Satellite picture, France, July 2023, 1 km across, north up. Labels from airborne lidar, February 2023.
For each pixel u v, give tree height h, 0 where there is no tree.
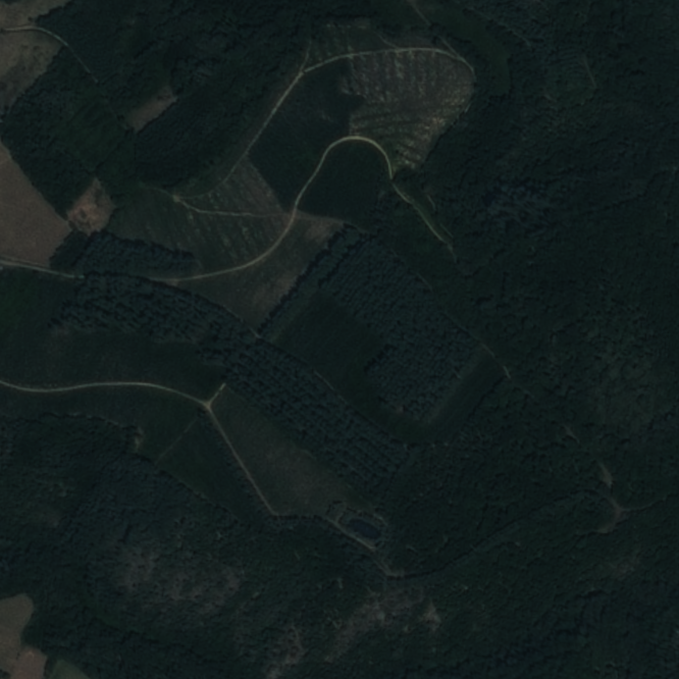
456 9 8
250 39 22
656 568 17
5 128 8
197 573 11
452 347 27
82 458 15
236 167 0
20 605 0
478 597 19
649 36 19
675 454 22
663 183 17
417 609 11
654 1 16
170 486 26
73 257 15
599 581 13
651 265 26
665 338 20
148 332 9
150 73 23
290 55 20
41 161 21
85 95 6
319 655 19
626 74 14
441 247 17
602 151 21
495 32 22
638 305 23
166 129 15
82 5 21
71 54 13
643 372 23
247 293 0
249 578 15
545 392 26
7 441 7
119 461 20
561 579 19
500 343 26
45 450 22
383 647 16
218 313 32
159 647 19
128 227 0
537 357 24
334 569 16
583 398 29
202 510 18
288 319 28
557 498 18
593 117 19
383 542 11
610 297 21
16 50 0
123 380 0
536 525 24
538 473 20
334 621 15
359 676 29
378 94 0
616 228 20
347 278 26
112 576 8
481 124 20
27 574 17
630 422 29
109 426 16
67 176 20
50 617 12
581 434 24
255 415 0
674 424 26
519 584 16
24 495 15
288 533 20
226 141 16
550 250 21
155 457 0
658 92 15
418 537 20
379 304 26
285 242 0
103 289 22
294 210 0
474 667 23
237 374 26
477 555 24
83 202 0
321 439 27
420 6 0
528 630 16
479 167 26
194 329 26
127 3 25
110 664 22
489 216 16
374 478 26
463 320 21
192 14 20
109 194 12
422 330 30
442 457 11
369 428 29
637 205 18
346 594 14
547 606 23
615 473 13
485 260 20
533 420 25
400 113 0
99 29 20
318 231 0
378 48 0
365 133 0
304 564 15
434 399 31
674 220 19
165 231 0
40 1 0
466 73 0
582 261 21
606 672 22
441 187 18
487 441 20
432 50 0
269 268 0
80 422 17
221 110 20
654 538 20
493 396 16
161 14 33
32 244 0
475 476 18
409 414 23
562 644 16
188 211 0
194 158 18
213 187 0
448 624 17
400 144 0
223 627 14
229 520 24
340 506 14
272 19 12
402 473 25
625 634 18
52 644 12
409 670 11
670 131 16
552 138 18
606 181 18
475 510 24
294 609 17
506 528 16
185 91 11
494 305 23
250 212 0
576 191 18
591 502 21
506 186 25
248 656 7
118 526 27
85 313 30
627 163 18
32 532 18
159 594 7
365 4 16
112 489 28
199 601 11
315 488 0
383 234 16
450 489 16
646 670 16
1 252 0
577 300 20
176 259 28
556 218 22
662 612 14
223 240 0
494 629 15
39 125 11
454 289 24
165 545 13
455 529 23
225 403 0
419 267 18
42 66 0
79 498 20
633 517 11
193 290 0
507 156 8
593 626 18
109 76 16
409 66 0
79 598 11
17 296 0
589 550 19
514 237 15
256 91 9
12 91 0
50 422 18
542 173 27
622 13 11
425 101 0
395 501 18
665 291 27
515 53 26
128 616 19
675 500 16
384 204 14
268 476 0
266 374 29
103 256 27
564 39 19
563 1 18
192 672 20
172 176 20
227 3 13
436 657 13
